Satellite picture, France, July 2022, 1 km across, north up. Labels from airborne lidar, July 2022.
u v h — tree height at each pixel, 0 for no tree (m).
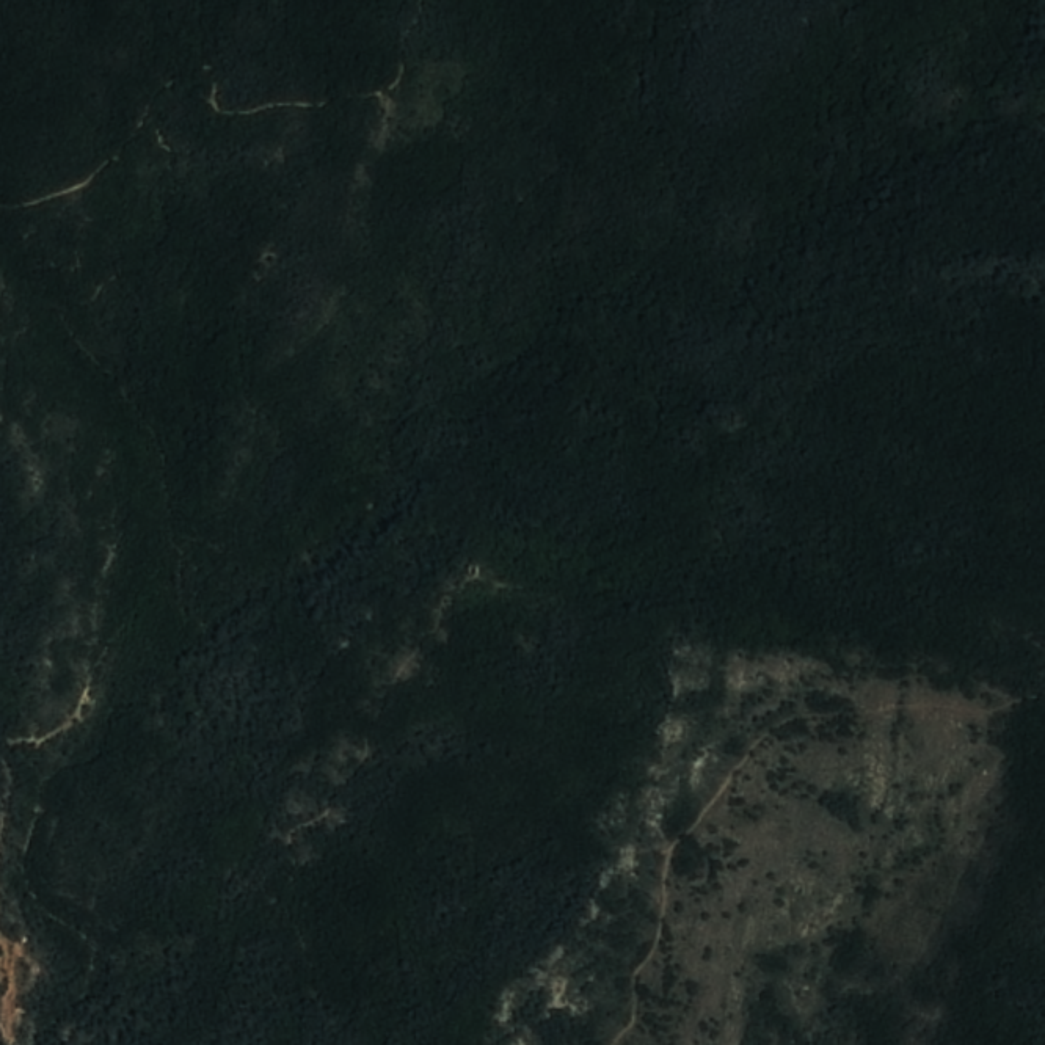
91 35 8
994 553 7
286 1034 11
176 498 13
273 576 9
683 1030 0
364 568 8
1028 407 12
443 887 8
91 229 7
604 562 13
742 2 12
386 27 8
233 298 9
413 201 9
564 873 14
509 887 11
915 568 9
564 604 6
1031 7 21
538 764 8
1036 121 6
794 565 9
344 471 11
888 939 0
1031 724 9
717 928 0
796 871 0
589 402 5
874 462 8
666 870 0
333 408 6
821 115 21
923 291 11
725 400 13
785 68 11
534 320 14
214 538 8
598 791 8
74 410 6
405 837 10
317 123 9
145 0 13
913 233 13
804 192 19
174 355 12
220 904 13
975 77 14
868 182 18
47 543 11
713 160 8
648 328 12
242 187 11
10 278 6
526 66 11
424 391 11
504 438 13
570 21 14
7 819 10
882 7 19
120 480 14
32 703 6
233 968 11
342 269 8
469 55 8
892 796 0
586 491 15
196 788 9
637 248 8
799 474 10
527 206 7
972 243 12
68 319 7
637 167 10
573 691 9
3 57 10
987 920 7
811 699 8
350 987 10
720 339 18
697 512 9
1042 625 7
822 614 9
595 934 7
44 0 8
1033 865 6
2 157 6
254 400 8
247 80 7
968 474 9
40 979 8
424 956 9
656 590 8
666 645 6
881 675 6
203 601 10
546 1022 9
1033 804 9
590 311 10
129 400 9
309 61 12
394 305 8
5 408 6
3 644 9
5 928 7
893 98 19
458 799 6
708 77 15
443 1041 9
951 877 0
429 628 6
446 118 8
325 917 9
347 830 12
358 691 6
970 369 12
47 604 6
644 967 0
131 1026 14
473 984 7
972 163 19
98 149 8
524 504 15
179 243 10
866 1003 7
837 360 10
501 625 11
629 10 16
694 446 20
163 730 7
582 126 7
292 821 7
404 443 7
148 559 9
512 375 15
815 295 11
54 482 6
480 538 7
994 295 13
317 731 11
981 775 0
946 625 9
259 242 8
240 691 11
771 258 19
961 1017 6
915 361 16
